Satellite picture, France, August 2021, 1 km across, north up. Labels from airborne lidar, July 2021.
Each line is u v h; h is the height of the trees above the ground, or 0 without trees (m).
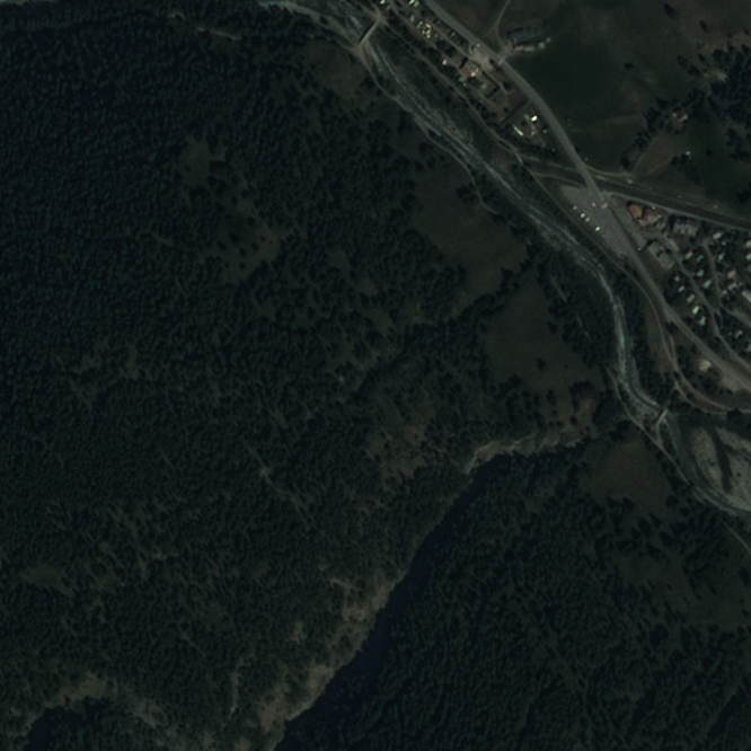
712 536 16
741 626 0
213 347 6
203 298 12
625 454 0
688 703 20
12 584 21
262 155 26
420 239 19
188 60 29
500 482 24
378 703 24
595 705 16
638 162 0
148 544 16
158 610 14
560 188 0
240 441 16
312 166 7
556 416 13
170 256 15
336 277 20
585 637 19
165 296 23
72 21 8
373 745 26
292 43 12
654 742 18
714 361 0
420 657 24
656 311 0
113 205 13
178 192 26
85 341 16
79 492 22
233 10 13
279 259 8
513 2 0
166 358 11
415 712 26
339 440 20
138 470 24
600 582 7
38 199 18
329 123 13
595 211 0
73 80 17
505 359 0
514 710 17
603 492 0
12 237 17
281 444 21
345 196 27
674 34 0
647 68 0
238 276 0
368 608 0
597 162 0
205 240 20
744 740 18
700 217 0
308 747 8
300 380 29
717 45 0
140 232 16
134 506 20
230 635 12
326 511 13
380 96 13
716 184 0
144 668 13
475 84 12
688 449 0
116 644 14
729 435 0
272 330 31
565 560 17
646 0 0
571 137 0
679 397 7
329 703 8
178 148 14
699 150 0
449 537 18
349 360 0
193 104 15
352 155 12
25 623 21
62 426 24
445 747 27
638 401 0
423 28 0
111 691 8
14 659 19
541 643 8
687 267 9
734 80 14
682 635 0
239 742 21
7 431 20
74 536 12
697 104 14
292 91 0
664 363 0
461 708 27
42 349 13
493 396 7
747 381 0
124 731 7
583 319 11
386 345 30
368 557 8
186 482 13
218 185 15
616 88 0
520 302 0
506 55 0
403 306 13
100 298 17
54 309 13
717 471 0
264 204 17
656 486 0
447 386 17
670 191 0
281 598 11
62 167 20
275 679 15
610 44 0
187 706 12
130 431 28
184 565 6
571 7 0
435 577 17
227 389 18
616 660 27
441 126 0
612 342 11
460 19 0
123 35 13
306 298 18
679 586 0
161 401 12
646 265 0
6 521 27
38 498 14
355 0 11
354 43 0
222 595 25
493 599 27
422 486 28
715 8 0
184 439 18
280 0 0
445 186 0
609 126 0
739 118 22
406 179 19
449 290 16
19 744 16
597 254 10
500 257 0
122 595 19
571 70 0
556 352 0
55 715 12
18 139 16
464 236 0
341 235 25
